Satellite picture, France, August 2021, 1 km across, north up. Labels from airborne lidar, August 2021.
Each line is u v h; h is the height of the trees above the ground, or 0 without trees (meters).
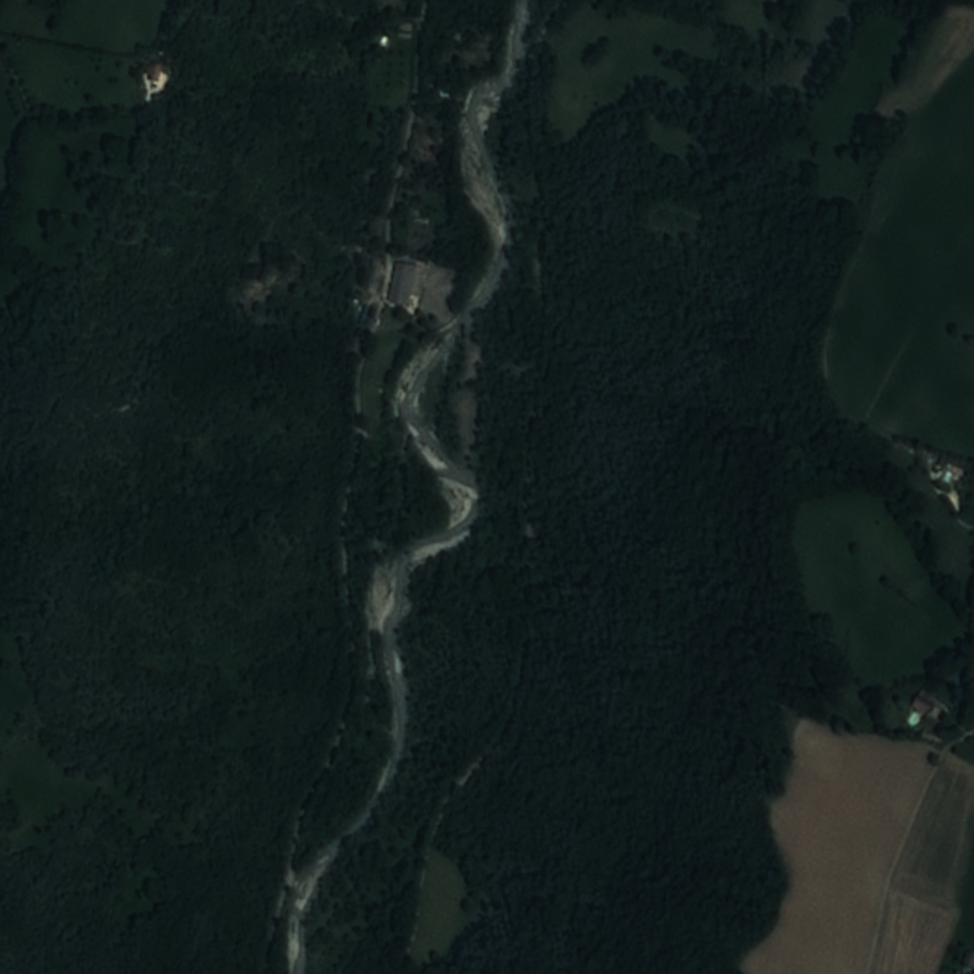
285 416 10
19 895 11
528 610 21
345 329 15
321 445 10
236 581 6
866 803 0
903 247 0
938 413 0
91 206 8
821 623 14
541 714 9
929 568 10
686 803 16
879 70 0
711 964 17
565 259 9
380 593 0
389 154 10
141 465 11
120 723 12
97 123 14
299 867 11
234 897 13
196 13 9
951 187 0
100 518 7
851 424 8
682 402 18
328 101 12
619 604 24
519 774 19
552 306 15
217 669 9
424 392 0
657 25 0
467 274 20
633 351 13
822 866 0
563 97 0
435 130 11
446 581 22
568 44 0
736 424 27
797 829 0
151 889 18
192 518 16
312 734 8
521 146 18
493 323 8
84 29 0
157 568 12
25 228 0
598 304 12
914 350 0
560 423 14
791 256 18
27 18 0
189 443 11
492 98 0
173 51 17
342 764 14
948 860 0
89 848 7
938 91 0
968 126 0
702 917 18
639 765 16
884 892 0
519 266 14
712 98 20
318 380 22
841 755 0
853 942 0
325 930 11
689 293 15
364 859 13
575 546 18
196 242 13
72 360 10
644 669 18
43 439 12
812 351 17
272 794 12
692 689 15
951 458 9
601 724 19
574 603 16
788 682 12
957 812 0
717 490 21
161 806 14
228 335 11
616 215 14
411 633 8
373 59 9
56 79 0
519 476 19
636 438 13
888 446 12
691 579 18
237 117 7
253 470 10
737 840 17
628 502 19
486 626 8
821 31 0
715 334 19
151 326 12
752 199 18
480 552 21
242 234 8
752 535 18
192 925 19
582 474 17
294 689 12
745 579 22
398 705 0
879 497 15
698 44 0
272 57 9
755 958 0
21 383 17
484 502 11
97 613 11
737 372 18
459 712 20
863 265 0
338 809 8
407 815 13
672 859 28
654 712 16
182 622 7
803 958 0
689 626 18
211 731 8
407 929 18
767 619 28
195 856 22
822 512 0
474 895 7
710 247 10
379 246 14
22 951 10
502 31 20
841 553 0
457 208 15
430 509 6
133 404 6
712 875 24
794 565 14
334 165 15
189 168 6
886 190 0
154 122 10
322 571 19
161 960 17
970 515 10
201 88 11
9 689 0
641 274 15
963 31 0
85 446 9
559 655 15
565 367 19
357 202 14
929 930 0
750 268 13
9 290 0
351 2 13
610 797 9
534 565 17
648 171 12
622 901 21
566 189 16
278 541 11
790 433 34
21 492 21
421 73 10
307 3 10
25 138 19
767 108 19
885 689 9
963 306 0
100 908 12
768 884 31
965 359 0
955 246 0
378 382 0
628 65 0
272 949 15
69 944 14
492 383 10
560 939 19
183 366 17
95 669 13
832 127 0
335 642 13
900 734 14
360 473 17
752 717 22
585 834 16
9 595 14
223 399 9
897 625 0
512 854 16
